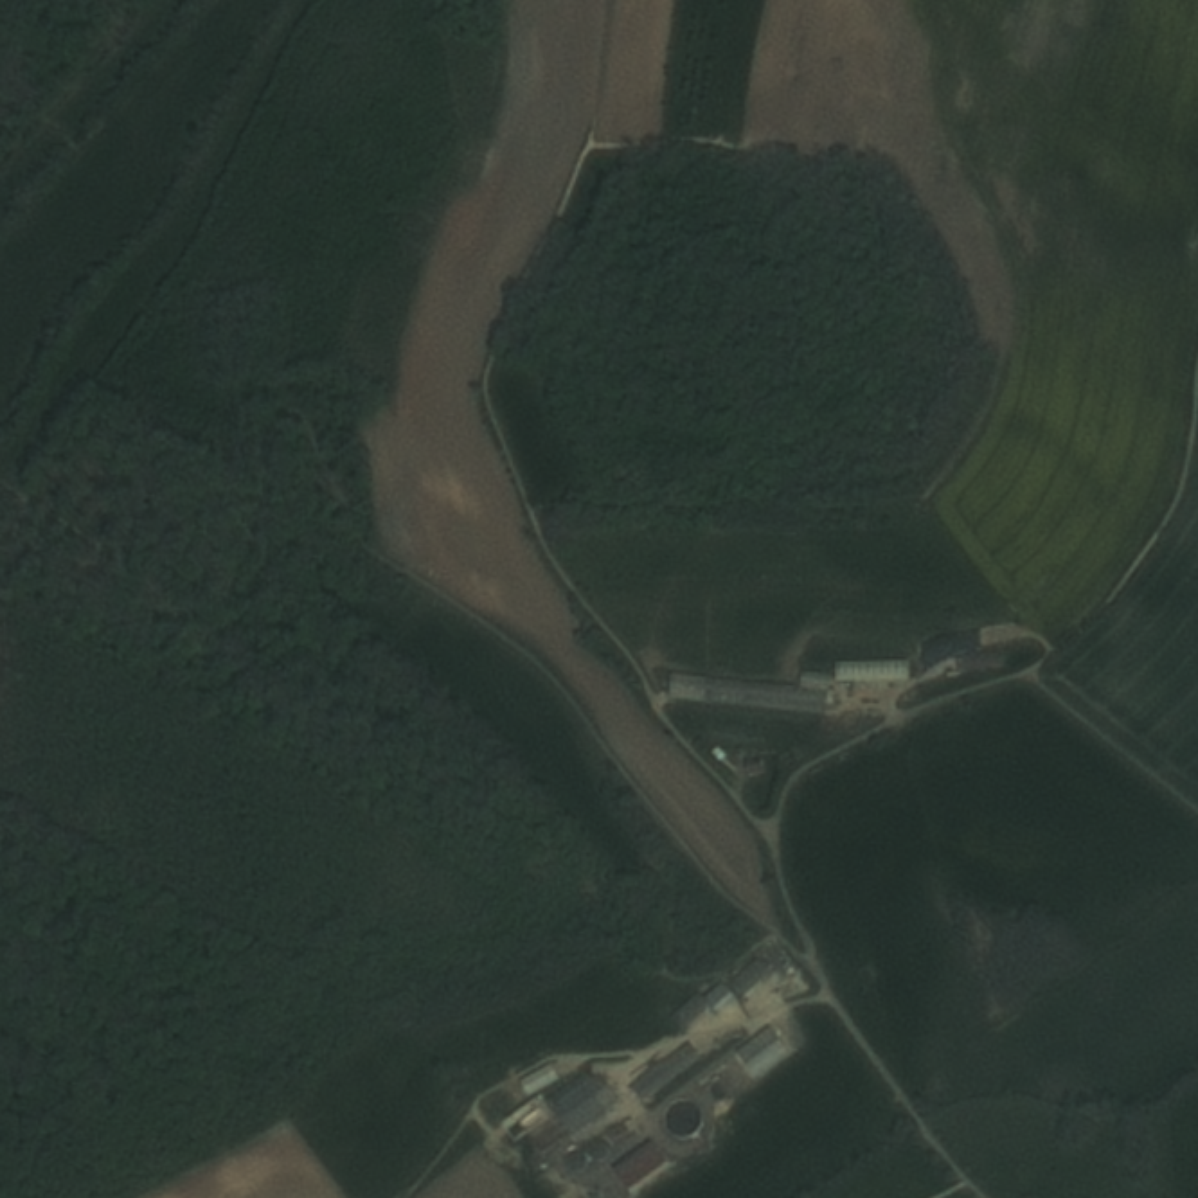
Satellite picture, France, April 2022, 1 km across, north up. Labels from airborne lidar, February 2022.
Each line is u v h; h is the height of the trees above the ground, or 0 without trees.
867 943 0
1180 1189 0
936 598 0
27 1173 28
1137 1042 0
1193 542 0
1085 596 0
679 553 0
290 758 20
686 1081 0
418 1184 0
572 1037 0
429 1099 0
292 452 29
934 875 0
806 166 24
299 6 0
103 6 28
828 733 0
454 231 0
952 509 0
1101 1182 0
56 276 0
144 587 28
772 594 0
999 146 0
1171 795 0
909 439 20
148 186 0
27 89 30
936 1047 0
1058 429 0
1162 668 0
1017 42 0
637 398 19
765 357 20
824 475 22
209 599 26
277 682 33
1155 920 0
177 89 0
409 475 0
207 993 27
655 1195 0
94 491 28
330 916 17
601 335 13
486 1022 0
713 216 8
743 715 0
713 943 8
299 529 26
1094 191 0
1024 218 0
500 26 11
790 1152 0
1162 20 0
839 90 0
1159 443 0
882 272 25
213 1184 0
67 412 20
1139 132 0
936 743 0
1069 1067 0
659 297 12
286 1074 13
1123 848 0
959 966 0
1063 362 0
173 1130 16
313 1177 0
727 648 0
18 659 15
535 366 15
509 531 0
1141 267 0
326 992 22
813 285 20
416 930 13
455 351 0
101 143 0
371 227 8
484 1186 0
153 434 33
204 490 32
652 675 0
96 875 29
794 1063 0
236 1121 18
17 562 13
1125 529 0
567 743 0
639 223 8
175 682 22
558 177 0
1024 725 0
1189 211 0
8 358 0
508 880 14
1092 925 0
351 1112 0
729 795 0
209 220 8
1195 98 0
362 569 21
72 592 28
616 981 0
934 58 0
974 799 0
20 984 30
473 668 0
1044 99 0
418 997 21
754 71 0
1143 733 0
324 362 15
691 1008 0
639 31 0
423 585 0
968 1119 0
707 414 15
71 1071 29
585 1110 0
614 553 0
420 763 29
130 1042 27
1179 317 0
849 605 0
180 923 27
